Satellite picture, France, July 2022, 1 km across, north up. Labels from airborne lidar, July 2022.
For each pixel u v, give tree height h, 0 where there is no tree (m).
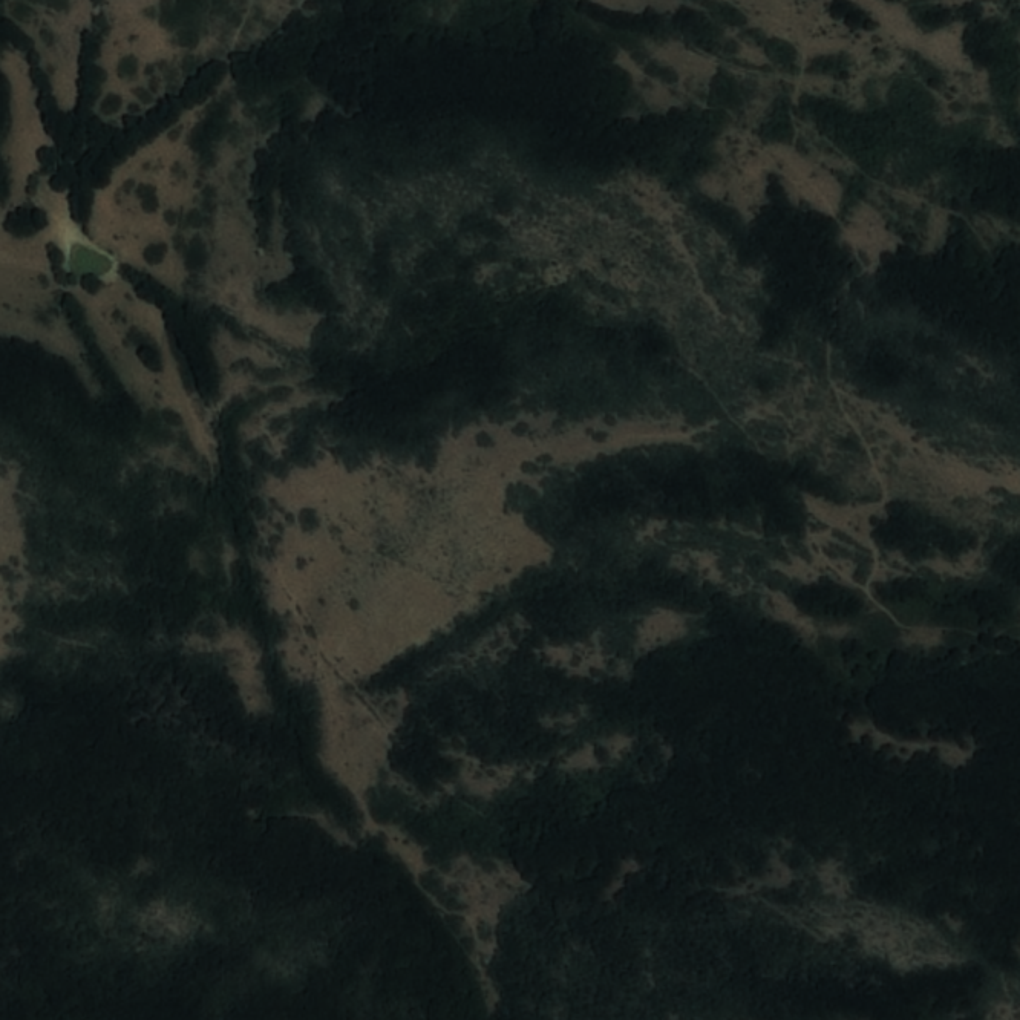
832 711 12
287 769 10
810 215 10
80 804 13
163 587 8
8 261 0
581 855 16
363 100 11
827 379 0
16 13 0
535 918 10
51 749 26
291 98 11
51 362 19
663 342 8
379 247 5
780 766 10
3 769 24
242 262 0
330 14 6
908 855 8
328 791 8
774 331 8
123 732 24
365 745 0
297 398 0
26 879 11
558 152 9
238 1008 10
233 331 7
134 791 9
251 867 19
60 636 6
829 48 0
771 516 7
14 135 0
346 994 6
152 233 0
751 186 0
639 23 14
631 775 6
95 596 6
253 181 9
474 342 15
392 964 14
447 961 13
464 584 0
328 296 6
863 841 9
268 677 8
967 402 5
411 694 6
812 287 17
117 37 0
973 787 14
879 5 0
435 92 18
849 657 12
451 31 6
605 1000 10
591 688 8
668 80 0
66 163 14
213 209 0
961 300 21
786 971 6
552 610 7
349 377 11
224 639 0
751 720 9
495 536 0
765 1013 8
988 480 0
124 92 0
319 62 14
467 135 6
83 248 0
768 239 12
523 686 7
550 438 0
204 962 13
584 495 7
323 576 0
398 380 15
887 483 0
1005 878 13
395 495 0
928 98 0
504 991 8
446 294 8
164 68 0
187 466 0
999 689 18
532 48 9
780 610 0
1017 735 13
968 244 9
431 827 6
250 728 10
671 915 11
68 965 11
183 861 9
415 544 0
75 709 25
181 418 0
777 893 8
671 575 7
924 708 14
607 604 8
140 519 8
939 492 0
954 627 0
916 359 7
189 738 8
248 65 11
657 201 0
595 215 0
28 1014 17
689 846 10
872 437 0
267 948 6
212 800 11
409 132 8
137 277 18
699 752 7
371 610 0
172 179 0
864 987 12
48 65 0
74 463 7
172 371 0
